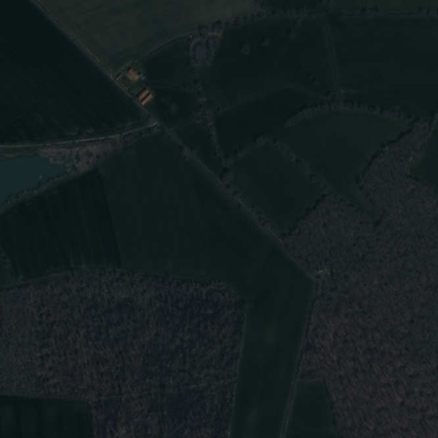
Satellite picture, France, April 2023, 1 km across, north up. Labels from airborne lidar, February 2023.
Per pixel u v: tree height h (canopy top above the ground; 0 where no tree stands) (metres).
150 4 0
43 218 0
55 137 0
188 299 21
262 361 0
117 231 0
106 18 0
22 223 0
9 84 0
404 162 19
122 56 0
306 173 14
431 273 25
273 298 0
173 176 0
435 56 0
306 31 0
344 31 0
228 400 20
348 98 0
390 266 19
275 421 0
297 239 16
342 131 0
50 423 0
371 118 0
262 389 0
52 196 0
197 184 0
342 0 0
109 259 0
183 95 0
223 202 0
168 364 8
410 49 0
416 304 16
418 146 15
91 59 0
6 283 0
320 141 0
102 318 21
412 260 18
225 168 0
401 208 17
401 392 20
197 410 22
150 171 0
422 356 20
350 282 23
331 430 0
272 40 0
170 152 0
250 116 0
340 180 0
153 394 15
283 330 0
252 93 0
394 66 0
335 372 17
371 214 0
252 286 0
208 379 6
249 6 0
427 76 0
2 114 0
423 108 0
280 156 0
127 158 0
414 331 21
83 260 0
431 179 0
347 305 21
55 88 0
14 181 0
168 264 0
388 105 0
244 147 10
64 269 0
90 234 0
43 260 0
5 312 14
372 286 24
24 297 16
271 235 0
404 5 0
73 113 0
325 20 0
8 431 0
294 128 0
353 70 0
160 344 19
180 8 0
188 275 0
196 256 0
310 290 0
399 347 21
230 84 0
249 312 0
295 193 0
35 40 0
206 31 18
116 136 0
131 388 8
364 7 0
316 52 0
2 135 0
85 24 0
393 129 0
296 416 0
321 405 0
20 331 15
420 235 17
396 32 0
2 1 0
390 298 20
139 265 0
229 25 14
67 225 0
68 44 0
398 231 16
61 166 0
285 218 0
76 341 21
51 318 20
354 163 0
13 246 0
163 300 16
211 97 0
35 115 0
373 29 0
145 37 0
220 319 18
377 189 22
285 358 0
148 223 0
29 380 17
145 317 21
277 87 0
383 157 17
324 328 19
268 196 0
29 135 0
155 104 0
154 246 0
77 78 0
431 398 22
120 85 0
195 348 7
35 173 0
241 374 0
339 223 22
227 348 8
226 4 0
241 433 0
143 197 0
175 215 0
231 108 0
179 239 0
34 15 0
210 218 0
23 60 0
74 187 0
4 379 16
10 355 17
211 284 13
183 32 0
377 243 18
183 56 0
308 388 0
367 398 24
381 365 21
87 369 20
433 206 20
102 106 0
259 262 0
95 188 0
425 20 0
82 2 0
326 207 20
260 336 0
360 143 0
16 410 0
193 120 0
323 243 20
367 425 20
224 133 0
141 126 0
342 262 18
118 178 0
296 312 0
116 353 20
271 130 0
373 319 21
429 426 18
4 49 0
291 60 0
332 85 0
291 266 0
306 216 11
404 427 22
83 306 18
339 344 19
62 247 0
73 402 0
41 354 19
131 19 0
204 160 0
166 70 0
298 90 0
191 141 0
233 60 0
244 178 0
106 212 0
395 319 17
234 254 0
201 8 0
